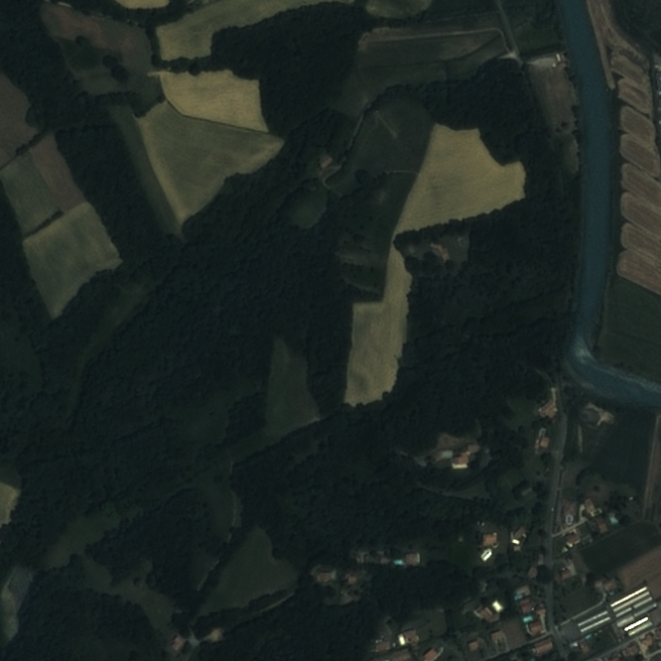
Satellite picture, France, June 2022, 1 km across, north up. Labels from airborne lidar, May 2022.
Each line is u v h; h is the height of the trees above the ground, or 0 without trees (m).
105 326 0
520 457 23
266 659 14
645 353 0
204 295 16
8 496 0
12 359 0
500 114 21
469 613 8
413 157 0
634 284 0
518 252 21
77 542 0
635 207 0
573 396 7
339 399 7
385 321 0
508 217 23
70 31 0
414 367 11
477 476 12
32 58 27
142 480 19
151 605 0
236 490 9
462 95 23
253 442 0
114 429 17
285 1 0
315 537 26
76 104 24
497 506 17
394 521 27
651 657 0
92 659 0
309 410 0
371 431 27
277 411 0
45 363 18
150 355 17
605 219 0
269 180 19
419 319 15
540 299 16
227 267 20
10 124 0
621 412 8
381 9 0
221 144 0
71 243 0
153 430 16
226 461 0
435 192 0
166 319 18
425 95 8
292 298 16
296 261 10
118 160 24
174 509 16
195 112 0
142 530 19
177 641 0
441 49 0
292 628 25
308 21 22
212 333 20
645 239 0
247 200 20
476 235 20
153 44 8
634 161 0
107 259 0
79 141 20
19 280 21
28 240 0
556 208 21
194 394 18
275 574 0
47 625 17
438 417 18
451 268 11
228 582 0
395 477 24
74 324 22
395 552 16
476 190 0
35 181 0
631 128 0
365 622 27
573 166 0
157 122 0
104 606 10
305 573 7
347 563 18
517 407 0
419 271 21
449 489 16
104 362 17
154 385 13
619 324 0
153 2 0
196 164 0
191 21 0
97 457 23
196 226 17
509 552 9
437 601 24
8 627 0
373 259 0
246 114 0
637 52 0
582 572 0
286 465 14
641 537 0
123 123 0
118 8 17
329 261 16
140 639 15
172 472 15
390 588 25
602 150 0
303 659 25
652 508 0
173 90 0
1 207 19
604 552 0
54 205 0
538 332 25
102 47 0
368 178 20
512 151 13
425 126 0
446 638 13
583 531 0
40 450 19
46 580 21
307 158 28
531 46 0
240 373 10
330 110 6
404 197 0
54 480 28
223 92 0
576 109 11
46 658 19
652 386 0
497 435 16
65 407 21
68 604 16
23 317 15
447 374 26
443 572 18
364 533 19
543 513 22
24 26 27
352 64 11
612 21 0
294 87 22
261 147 0
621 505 7
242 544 10
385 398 12
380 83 0
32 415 24
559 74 0
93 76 0
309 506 9
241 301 23
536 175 11
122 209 27
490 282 16
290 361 0
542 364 30
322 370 6
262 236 6
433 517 20
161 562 19
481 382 21
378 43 0
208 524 8
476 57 0
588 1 0
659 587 0
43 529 26
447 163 0
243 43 24
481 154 0
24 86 9
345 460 21
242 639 17
